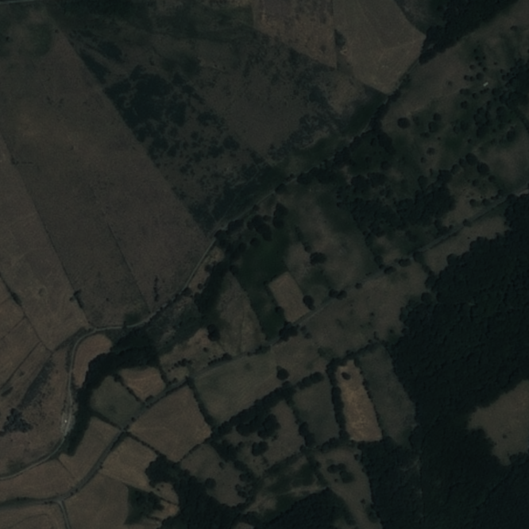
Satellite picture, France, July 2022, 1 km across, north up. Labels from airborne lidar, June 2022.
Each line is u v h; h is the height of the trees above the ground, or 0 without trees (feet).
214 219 0
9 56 0
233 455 47
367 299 0
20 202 0
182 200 0
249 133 0
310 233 0
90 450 0
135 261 0
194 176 0
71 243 0
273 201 0
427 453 49
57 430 0
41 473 0
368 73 0
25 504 0
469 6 52
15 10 0
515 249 80
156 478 30
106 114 0
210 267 30
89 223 0
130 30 0
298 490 0
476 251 64
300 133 0
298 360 0
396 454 54
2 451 0
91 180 0
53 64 0
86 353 0
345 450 0
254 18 0
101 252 0
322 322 0
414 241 22
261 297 0
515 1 30
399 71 0
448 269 42
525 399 0
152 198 0
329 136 0
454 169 38
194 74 0
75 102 0
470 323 75
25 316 0
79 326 0
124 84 0
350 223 0
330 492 58
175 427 0
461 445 48
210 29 0
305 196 0
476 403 86
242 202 0
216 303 38
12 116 0
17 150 0
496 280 66
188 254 0
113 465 0
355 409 0
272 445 0
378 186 52
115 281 0
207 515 43
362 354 49
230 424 43
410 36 0
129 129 0
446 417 52
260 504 0
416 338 72
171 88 0
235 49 0
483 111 52
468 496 73
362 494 0
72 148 0
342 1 0
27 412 0
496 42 0
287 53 0
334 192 20
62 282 0
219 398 0
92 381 67
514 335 81
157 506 19
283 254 0
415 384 78
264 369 0
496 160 0
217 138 0
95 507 0
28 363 0
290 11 0
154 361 74
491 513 54
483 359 95
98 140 0
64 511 0
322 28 0
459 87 0
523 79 76
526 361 61
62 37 0
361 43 0
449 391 58
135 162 0
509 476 41
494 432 0
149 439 0
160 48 0
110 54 0
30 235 0
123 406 0
